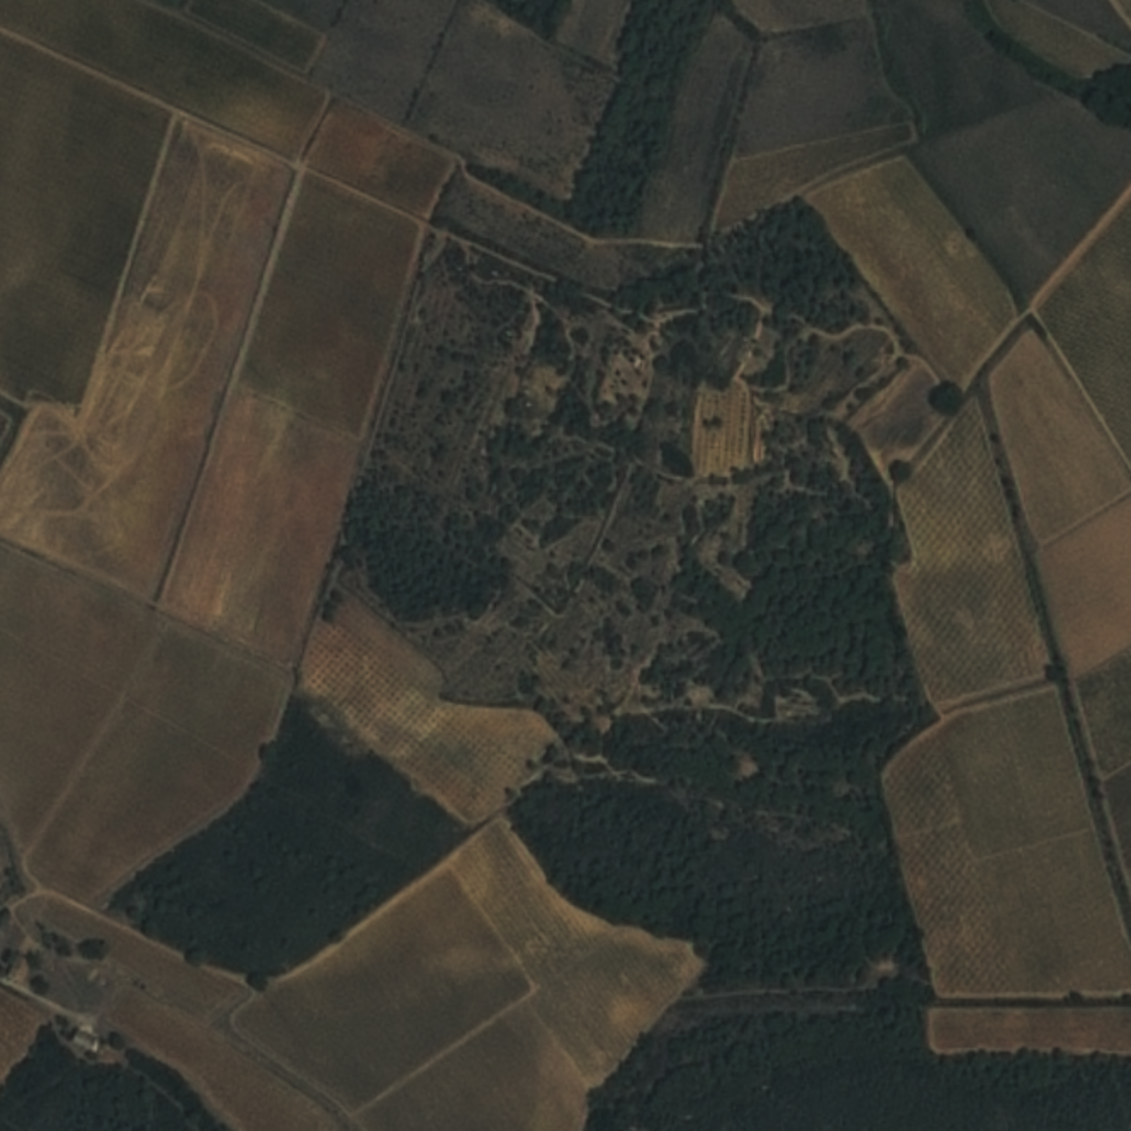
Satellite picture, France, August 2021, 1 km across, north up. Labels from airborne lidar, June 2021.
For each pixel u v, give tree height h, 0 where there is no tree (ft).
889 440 0
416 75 0
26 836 0
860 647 34
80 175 0
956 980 0
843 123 0
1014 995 0
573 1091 0
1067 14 0
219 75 0
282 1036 0
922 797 0
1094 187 0
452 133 0
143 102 0
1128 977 0
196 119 0
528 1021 0
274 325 0
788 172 0
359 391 0
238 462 0
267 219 0
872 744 34
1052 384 0
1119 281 0
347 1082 0
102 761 0
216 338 0
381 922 0
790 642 41
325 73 0
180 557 0
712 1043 18
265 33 0
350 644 0
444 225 22
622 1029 0
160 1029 0
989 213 0
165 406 0
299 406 0
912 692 22
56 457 0
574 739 33
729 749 43
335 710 0
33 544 0
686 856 23
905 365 28
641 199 36
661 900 38
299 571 0
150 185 0
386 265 0
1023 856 0
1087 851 0
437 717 0
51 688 0
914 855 0
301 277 0
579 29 0
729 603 32
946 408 51
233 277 0
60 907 0
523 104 0
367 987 0
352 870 24
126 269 0
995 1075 33
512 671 0
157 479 0
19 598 0
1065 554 0
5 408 0
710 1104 19
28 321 0
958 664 0
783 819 26
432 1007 0
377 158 0
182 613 0
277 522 0
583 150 0
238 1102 0
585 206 25
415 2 0
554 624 0
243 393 0
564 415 23
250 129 0
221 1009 0
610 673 0
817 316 40
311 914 22
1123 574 0
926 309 0
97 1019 0
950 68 0
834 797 42
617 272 0
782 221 42
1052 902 0
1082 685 0
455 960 0
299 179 0
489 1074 0
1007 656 0
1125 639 0
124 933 0
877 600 37
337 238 0
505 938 0
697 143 0
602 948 0
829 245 40
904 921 32
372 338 0
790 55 0
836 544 30
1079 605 0
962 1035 0
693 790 24
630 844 30
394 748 0
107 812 0
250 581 0
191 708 0
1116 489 0
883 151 0
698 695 0
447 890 0
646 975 0
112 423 0
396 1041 0
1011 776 0
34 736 0
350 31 0
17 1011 0
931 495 0
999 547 0
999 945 0
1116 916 0
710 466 0
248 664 0
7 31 0
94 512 0
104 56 0
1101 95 60
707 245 30
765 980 25
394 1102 0
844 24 0
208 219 0
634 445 21
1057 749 0
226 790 0
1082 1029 0
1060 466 0
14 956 41
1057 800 0
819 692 20
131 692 0
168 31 0
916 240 0
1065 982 0
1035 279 0
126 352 0
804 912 24
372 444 0
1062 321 0
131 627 0
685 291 31
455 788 0
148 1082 32
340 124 0
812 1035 33
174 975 0
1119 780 0
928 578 0
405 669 0
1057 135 0
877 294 21
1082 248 0
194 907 21
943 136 0
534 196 33
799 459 26
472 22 0
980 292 0
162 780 0
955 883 0
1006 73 0
